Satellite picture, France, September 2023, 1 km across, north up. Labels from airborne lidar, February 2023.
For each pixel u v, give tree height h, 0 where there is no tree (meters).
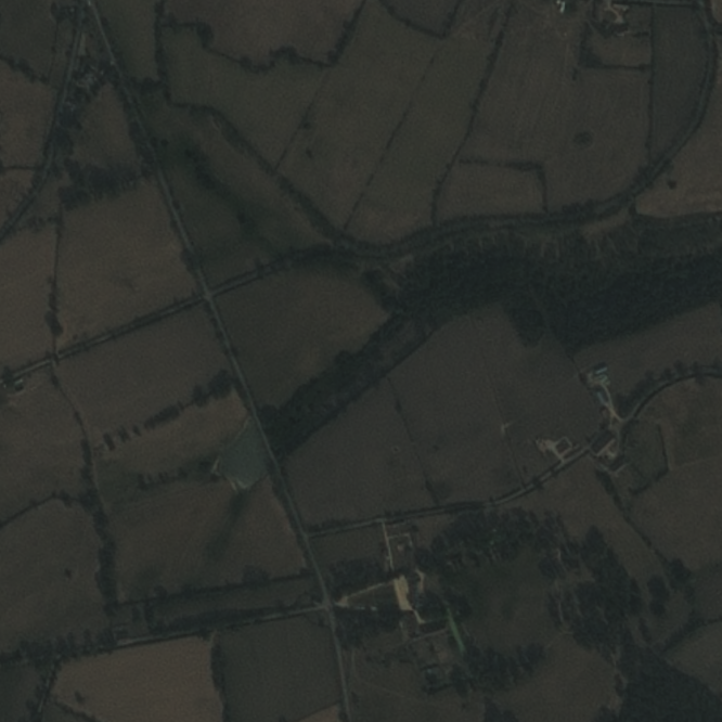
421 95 0
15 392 0
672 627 0
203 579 0
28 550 0
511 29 0
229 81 0
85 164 0
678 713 20
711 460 0
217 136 0
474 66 0
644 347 0
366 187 0
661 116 0
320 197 0
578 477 0
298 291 0
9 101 0
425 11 0
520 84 0
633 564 0
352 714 0
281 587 0
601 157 0
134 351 0
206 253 0
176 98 0
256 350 0
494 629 0
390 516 7
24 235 0
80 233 0
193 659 0
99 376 0
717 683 0
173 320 0
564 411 0
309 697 0
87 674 0
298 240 0
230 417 0
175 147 0
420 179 0
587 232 0
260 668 0
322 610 0
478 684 16
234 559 0
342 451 0
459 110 0
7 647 0
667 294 17
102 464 0
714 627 0
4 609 0
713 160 0
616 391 0
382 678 0
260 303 0
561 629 13
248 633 0
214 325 14
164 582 0
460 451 0
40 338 0
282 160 0
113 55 12
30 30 0
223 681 10
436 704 0
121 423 0
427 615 19
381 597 0
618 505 9
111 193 20
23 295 0
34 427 0
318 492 0
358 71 0
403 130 0
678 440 0
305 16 0
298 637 0
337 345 0
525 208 0
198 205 0
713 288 9
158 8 8
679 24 0
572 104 0
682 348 0
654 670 17
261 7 0
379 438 0
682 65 0
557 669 0
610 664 13
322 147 0
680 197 0
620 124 0
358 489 0
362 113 0
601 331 17
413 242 11
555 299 13
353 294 0
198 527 0
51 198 0
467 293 20
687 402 0
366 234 0
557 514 0
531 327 11
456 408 0
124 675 0
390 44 0
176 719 0
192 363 0
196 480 0
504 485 0
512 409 0
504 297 16
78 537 0
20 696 0
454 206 0
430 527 0
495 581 0
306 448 0
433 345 0
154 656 0
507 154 0
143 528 0
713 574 0
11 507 0
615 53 0
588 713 0
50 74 0
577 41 0
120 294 0
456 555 0
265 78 0
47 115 0
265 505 0
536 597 0
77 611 0
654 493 0
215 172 0
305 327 0
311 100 0
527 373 0
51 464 0
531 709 0
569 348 14
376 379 12
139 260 0
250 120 0
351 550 0
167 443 0
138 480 0
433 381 0
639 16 0
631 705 16
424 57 0
